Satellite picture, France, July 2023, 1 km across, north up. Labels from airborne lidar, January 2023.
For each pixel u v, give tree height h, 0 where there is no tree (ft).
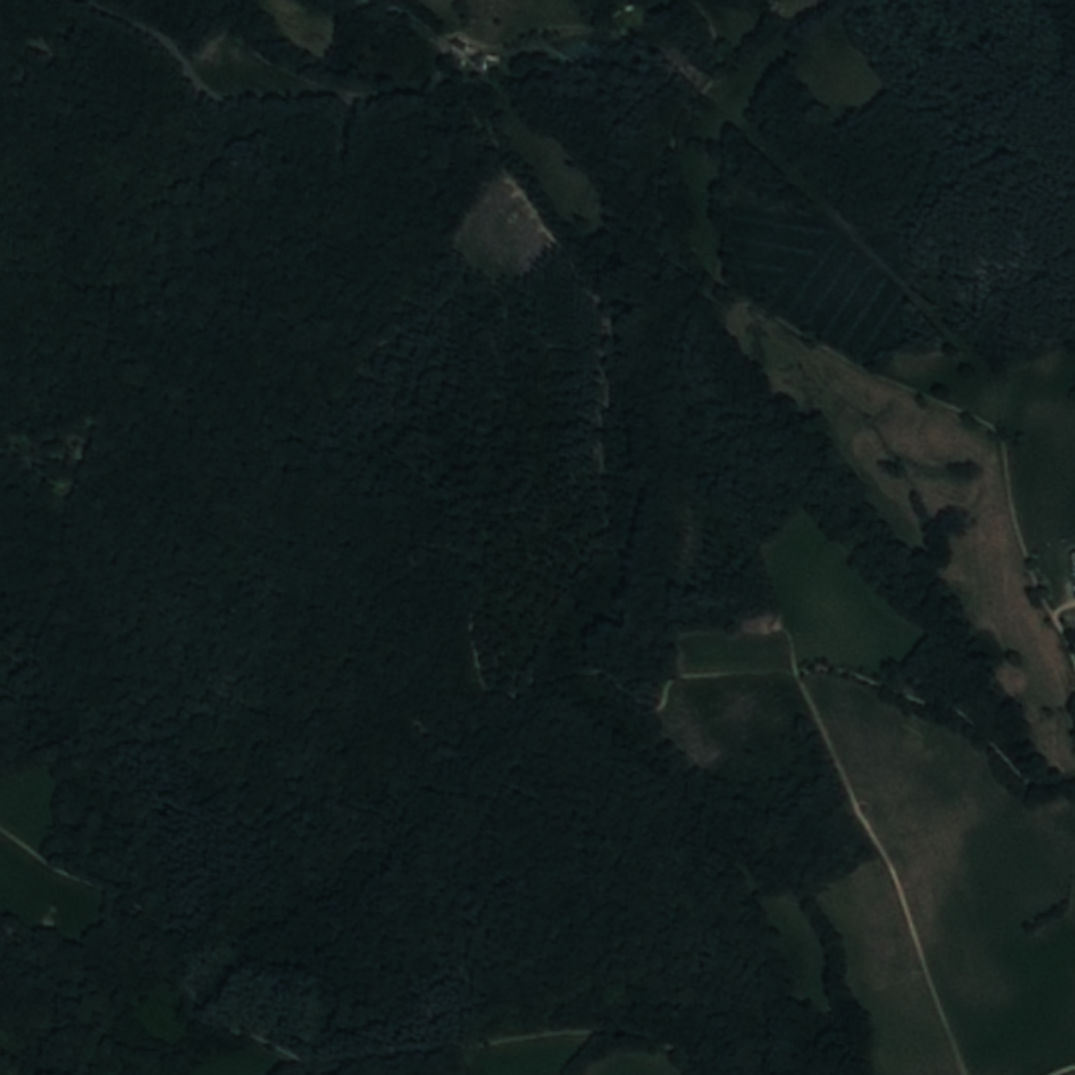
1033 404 0
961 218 71
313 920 66
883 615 0
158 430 62
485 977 65
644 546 89
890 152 62
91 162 60
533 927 56
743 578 51
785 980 71
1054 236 70
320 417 67
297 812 47
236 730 74
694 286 70
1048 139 80
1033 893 0
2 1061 78
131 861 62
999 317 89
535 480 46
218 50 0
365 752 64
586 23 23
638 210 61
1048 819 0
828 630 0
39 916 0
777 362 0
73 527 53
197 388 55
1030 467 0
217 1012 93
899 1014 0
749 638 0
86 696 65
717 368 22
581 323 62
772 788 20
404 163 73
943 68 89
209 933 73
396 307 58
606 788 71
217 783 69
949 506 0
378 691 57
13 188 46
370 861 57
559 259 65
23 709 51
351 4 62
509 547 53
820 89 0
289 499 60
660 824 67
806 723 48
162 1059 35
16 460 43
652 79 54
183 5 54
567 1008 40
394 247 58
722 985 58
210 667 49
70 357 53
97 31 43
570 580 73
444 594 59
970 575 0
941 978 0
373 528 61
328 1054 85
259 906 28
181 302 71
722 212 55
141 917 41
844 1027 25
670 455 72
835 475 64
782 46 0
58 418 54
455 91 41
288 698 63
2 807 0
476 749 80
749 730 0
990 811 0
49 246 64
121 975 53
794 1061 29
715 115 0
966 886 0
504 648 52
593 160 64
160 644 59
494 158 72
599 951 62
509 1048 0
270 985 100
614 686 52
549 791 53
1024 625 0
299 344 72
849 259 0
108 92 42
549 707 69
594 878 57
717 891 67
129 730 47
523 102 48
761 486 49
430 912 86
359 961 65
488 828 56
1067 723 0
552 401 41
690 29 41
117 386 68
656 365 72
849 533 63
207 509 70
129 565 53
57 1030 35
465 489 54
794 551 0
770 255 0
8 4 67
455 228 42
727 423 42
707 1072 47
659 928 67
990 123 82
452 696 66
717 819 54
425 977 63
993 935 0
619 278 113
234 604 43
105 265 62
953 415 0
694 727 0
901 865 0
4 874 0
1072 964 0
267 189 68
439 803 62
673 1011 54
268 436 60
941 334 57
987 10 87
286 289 68
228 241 70
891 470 49
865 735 0
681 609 70
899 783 0
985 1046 0
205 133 64
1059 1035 0
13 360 46
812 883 66
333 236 58
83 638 60
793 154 64
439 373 62
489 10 0
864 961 0
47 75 63
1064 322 74
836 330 0
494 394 51
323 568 54
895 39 83
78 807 56
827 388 0
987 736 51
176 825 75
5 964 52
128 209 63
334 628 57
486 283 37
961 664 77
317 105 65
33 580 70
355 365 69
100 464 59
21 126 61
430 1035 77
